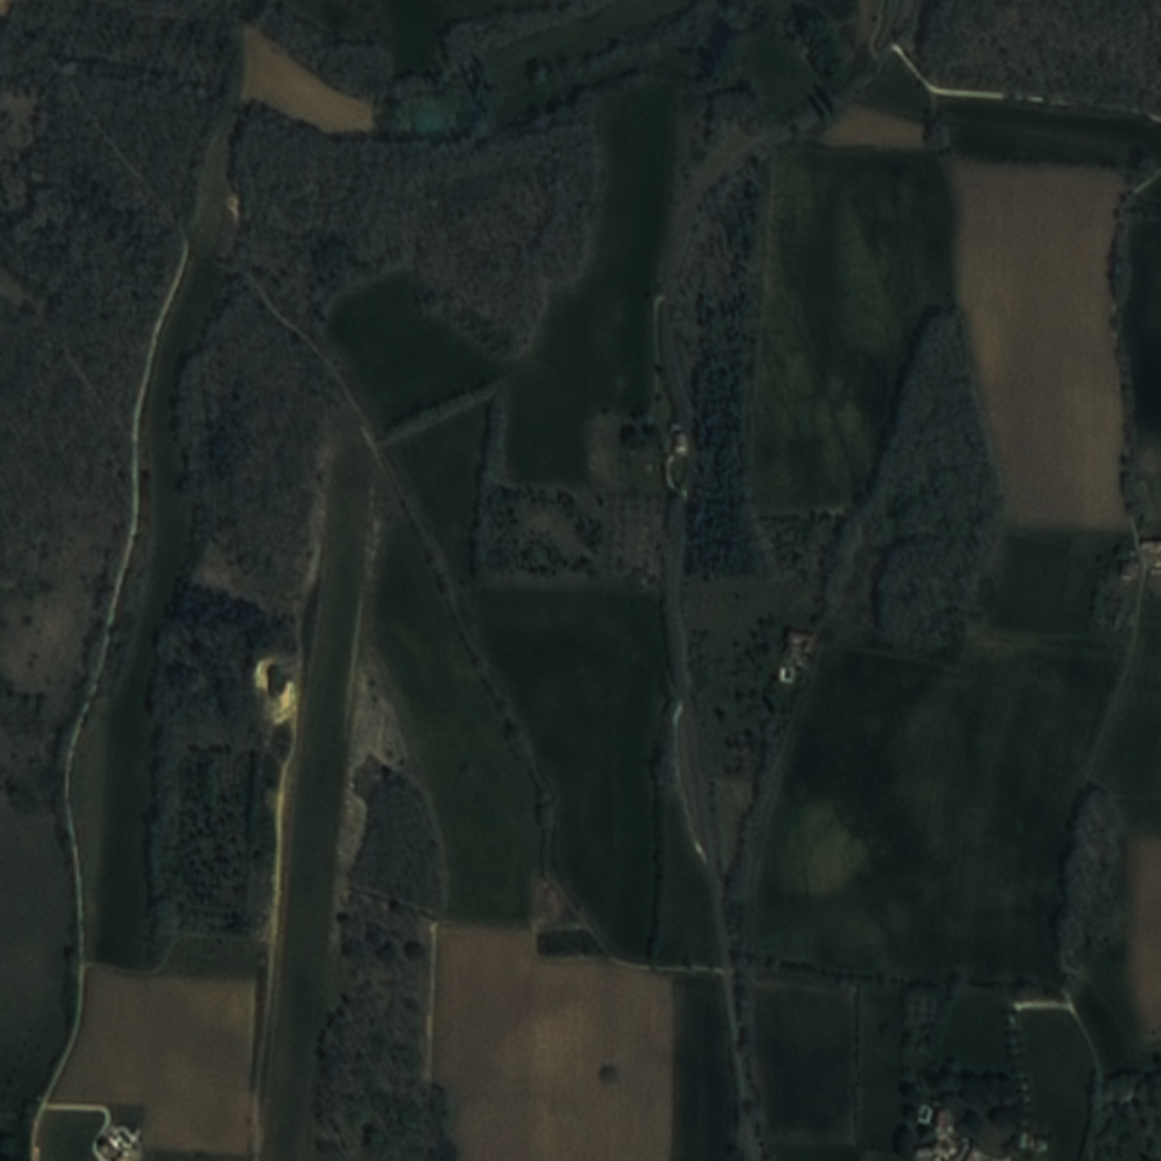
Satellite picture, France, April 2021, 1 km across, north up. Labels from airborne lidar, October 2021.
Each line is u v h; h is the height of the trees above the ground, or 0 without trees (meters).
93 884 0
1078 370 0
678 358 0
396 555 0
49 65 17
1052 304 0
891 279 0
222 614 14
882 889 0
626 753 0
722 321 0
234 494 13
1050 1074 0
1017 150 0
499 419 16
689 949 0
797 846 0
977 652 0
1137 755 0
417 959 14
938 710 0
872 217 0
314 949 0
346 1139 20
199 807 9
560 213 14
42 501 13
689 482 0
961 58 13
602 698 0
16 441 16
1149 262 0
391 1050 18
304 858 0
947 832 0
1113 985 0
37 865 0
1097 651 0
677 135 0
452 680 0
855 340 0
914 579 27
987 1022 0
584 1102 0
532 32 20
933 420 15
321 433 11
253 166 16
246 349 18
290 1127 0
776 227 0
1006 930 0
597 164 20
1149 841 0
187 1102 0
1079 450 0
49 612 0
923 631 20
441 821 0
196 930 8
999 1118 12
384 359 0
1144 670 0
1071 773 0
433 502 0
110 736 0
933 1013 10
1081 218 0
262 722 0
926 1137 14
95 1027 0
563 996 0
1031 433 0
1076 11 9
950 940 0
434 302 12
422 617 0
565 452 0
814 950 0
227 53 17
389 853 12
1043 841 0
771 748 11
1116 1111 10
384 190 12
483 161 19
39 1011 0
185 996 0
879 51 0
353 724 0
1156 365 0
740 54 38
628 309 0
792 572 10
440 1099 17
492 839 0
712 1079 0
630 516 14
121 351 16
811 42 29
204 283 0
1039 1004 10
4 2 0
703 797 0
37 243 14
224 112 7
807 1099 0
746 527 17
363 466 0
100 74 11
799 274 0
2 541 18
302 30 15
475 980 0
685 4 0
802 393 0
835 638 0
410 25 0
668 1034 0
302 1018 0
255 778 8
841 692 0
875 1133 0
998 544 19
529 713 0
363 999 12
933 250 0
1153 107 10
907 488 23
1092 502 0
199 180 17
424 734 0
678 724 0
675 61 0
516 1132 0
